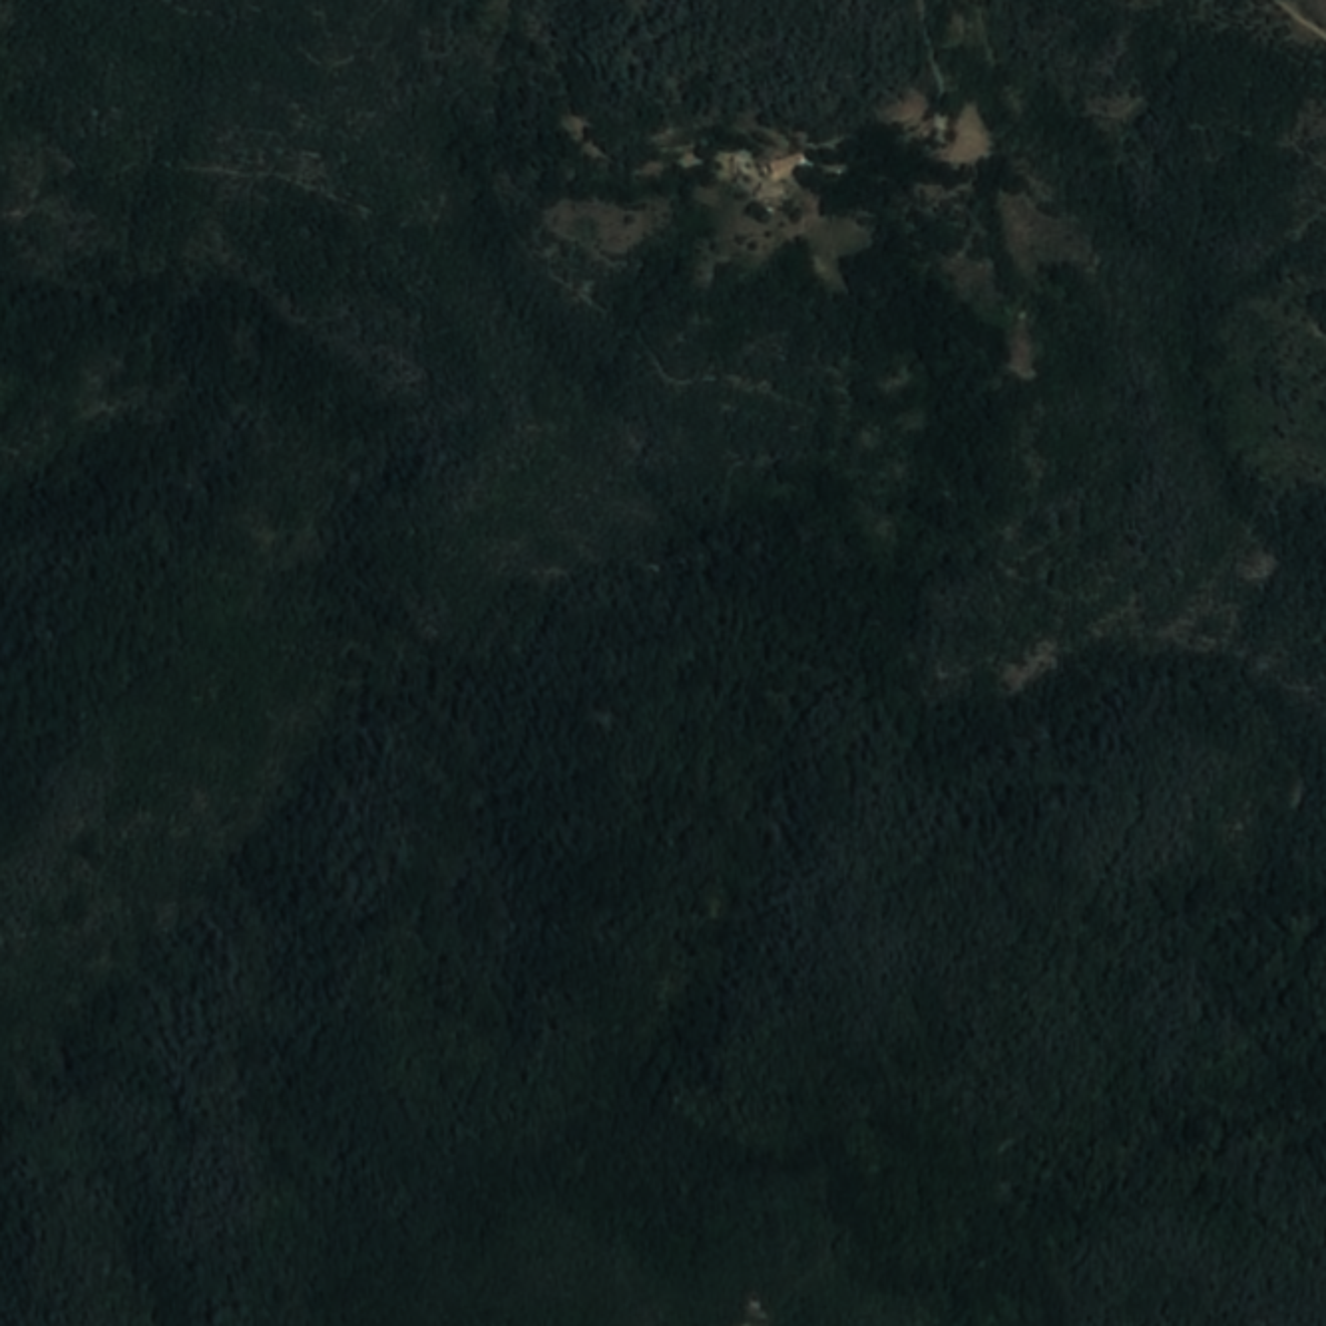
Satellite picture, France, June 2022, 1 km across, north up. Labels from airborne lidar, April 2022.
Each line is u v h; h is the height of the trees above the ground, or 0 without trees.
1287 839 6
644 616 9
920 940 8
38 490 20
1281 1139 21
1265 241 8
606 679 11
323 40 7
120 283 9
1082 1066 19
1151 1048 11
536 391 12
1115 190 13
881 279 20
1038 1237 12
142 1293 15
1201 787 8
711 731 13
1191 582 9
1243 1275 12
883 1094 7
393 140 7
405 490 8
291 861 10
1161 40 9
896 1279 12
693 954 21
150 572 14
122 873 7
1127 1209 22
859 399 16
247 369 13
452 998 18
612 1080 15
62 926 8
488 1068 10
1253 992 17
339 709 11
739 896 18
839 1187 6
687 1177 13
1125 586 8
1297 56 8
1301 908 19
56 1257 12
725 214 0
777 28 12
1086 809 17
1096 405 8
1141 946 16
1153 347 12
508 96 14
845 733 18
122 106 9
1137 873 17
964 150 0
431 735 14
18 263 6
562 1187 8
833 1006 19
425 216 11
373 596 17
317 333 8
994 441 9
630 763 12
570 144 9
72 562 8
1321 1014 19
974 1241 17
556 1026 13
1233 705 17
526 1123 10
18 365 8
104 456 16
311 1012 8
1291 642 8
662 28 17
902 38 7
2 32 8
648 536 9
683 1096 18
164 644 11
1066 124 8
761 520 11
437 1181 7
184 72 11
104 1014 16
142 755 13
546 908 15
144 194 11
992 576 6
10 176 9
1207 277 9
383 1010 9
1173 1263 13
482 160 14
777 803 18
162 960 6
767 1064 16
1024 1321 8
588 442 8
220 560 9
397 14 7
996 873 13
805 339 14
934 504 9
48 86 9
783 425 7
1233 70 10
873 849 14
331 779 10
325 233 10
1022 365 0
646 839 17
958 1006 14
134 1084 9
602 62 17
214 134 7
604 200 8
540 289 9
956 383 9
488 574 8
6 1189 6
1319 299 11
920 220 13
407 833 13
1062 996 13
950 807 14
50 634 10
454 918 13
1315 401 0
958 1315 10
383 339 8
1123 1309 12
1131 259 10
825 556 25
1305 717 10
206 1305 6
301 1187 11
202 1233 12
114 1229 13
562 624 9
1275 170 9
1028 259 0
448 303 7
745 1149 13
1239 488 18
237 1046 7
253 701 12
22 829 14
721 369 7
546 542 8
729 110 12
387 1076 9
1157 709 14
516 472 10
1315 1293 14
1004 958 15
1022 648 6
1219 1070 18
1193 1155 15
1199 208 7
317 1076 10
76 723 9
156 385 12
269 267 7
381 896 13
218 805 7
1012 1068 15
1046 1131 14
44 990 8
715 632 11
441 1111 9
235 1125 12
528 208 8
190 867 10
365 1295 9
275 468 8
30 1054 9
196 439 11
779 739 17
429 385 6
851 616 15
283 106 6
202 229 7
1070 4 8
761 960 14
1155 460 12
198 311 15
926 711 24
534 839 16
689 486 6
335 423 11
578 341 6
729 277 14
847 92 17
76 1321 14
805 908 17
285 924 9
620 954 12
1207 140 10
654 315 15
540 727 12
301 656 10
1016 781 15
